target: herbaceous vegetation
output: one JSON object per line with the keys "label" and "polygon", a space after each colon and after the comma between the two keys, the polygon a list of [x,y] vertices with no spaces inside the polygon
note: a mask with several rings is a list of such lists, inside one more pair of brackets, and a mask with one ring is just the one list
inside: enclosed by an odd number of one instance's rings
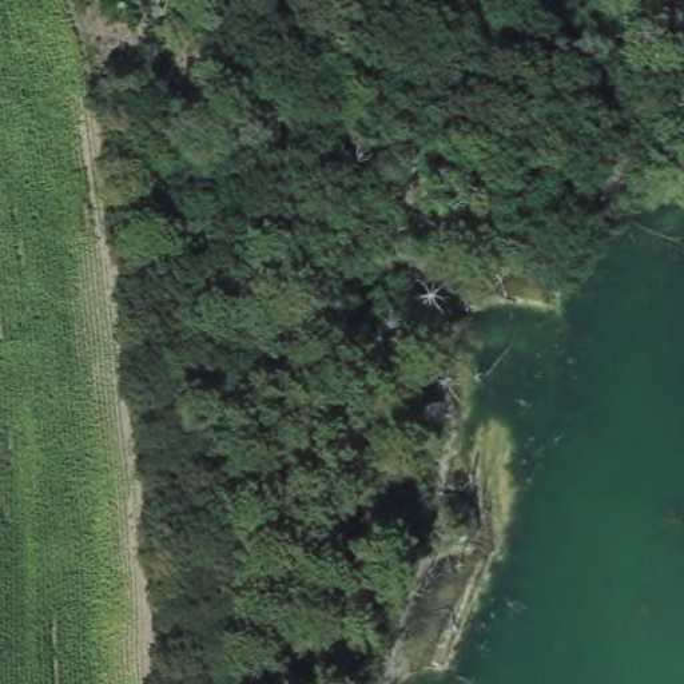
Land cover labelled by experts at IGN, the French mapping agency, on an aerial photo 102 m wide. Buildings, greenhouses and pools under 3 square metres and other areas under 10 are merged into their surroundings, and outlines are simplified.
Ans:
{"label": "herbaceous vegetation", "polygon": [[433,550],[436,494],[438,473],[425,468],[414,478],[390,481],[382,494],[374,494],[371,505],[355,508],[353,516],[347,516],[342,524],[334,524],[329,532],[331,550],[339,550],[355,540],[401,537],[403,550],[398,553],[398,558],[417,564],[422,556]]}

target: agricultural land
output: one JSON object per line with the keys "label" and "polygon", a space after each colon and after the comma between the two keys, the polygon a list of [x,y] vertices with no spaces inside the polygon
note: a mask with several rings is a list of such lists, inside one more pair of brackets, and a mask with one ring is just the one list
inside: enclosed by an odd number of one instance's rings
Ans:
{"label": "agricultural land", "polygon": [[110,257],[104,211],[107,206],[123,206],[126,200],[118,195],[118,190],[107,184],[102,168],[96,166],[96,158],[102,152],[102,131],[96,112],[88,107],[86,88],[88,75],[110,59],[115,48],[136,45],[144,37],[139,27],[128,27],[126,21],[107,21],[99,5],[102,0],[0,0],[0,684],[142,684],[150,673],[150,647],[155,636],[152,607],[147,599],[147,577],[139,561],[139,516],[144,492],[136,473],[131,411],[118,387],[118,275],[118,265]]}

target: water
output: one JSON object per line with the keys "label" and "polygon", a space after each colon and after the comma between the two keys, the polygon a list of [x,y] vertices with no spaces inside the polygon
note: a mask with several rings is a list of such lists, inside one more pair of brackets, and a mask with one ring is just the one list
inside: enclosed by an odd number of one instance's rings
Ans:
{"label": "water", "polygon": [[473,411],[481,414],[486,422],[505,425],[513,444],[508,465],[513,484],[513,505],[505,529],[505,556],[492,566],[489,588],[481,593],[478,609],[468,617],[452,668],[441,673],[436,671],[428,676],[414,676],[403,684],[684,684],[684,208],[676,203],[660,203],[655,208],[633,214],[628,219],[628,232],[617,235],[607,246],[604,257],[593,265],[590,275],[580,281],[577,291],[569,297],[550,294],[545,286],[516,275],[502,273],[494,281],[494,286],[486,289],[484,299],[489,305],[470,313],[470,326],[460,337],[465,353],[476,361],[476,371],[481,374],[481,382],[473,390]]}

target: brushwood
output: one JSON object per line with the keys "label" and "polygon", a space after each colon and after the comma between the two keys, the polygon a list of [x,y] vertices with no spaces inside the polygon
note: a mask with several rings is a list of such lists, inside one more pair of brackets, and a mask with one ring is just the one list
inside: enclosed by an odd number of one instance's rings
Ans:
{"label": "brushwood", "polygon": [[417,564],[417,572],[422,572],[430,572],[444,556],[470,553],[476,526],[481,524],[476,486],[470,486],[468,473],[452,470],[452,489],[446,489],[446,497],[436,494],[433,550],[422,556]]}

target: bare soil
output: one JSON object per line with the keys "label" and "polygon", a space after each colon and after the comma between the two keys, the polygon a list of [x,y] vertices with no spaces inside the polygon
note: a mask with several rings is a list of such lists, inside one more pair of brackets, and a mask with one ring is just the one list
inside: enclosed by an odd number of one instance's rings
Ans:
{"label": "bare soil", "polygon": [[425,409],[428,417],[441,419],[446,425],[444,449],[436,452],[438,473],[436,494],[446,497],[446,489],[452,489],[452,470],[468,473],[470,486],[476,486],[481,524],[476,526],[470,553],[444,556],[430,572],[422,572],[417,607],[406,617],[390,623],[398,641],[393,644],[385,660],[385,673],[374,684],[403,684],[414,676],[428,676],[436,671],[441,673],[452,668],[468,617],[478,609],[481,593],[489,588],[492,566],[505,556],[505,529],[513,505],[513,484],[508,465],[513,444],[505,425],[486,422],[481,414],[473,411],[473,390],[481,382],[481,374],[476,371],[476,361],[465,353],[457,353],[454,377],[444,377],[441,382],[444,401],[428,403]]}

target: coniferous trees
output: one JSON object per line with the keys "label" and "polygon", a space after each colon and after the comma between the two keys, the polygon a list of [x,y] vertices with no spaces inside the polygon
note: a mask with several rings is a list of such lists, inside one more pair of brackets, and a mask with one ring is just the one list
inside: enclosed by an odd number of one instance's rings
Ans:
{"label": "coniferous trees", "polygon": [[612,166],[612,176],[607,179],[607,184],[601,184],[593,195],[580,192],[574,179],[564,179],[561,190],[545,203],[550,214],[564,216],[601,214],[607,227],[612,227],[617,235],[628,232],[628,219],[633,214],[655,208],[660,203],[676,203],[684,208],[684,104],[676,112],[671,112],[671,118],[655,126],[655,136],[660,139],[660,144],[649,152],[649,166],[644,160],[623,155]]}
{"label": "coniferous trees", "polygon": [[556,37],[553,56],[582,59],[585,69],[593,72],[599,83],[612,80],[604,64],[609,45],[623,48],[623,56],[633,69],[684,67],[684,0],[542,0],[545,8],[558,19],[558,29],[564,32],[564,37]]}
{"label": "coniferous trees", "polygon": [[254,91],[254,75],[243,64],[238,64],[219,45],[203,43],[211,29],[219,27],[219,16],[214,13],[211,0],[158,0],[152,5],[152,16],[144,19],[144,24],[139,27],[144,37],[136,45],[115,48],[110,59],[88,75],[86,88],[88,107],[96,112],[102,131],[102,152],[96,158],[96,166],[102,168],[107,184],[118,190],[118,195],[126,200],[123,206],[107,206],[104,211],[110,257],[118,265],[118,275],[131,273],[163,254],[179,254],[182,248],[190,257],[208,254],[206,232],[192,230],[190,219],[176,208],[176,203],[168,195],[168,174],[211,176],[206,171],[208,163],[222,163],[232,150],[243,144],[270,142],[270,150],[307,150],[310,144],[307,136],[289,131],[289,126],[275,115],[273,102],[262,99]]}
{"label": "coniferous trees", "polygon": [[238,497],[238,502],[227,513],[227,521],[235,529],[235,542],[208,569],[216,580],[238,585],[243,580],[254,582],[254,590],[232,601],[235,617],[224,620],[224,641],[219,647],[206,649],[206,660],[211,663],[208,676],[219,684],[374,684],[385,673],[385,660],[393,644],[398,641],[390,623],[406,617],[417,607],[422,572],[417,572],[417,564],[398,558],[398,553],[403,550],[401,537],[355,540],[339,550],[331,550],[329,532],[334,524],[342,524],[347,516],[353,516],[355,508],[371,505],[374,494],[382,494],[390,481],[414,478],[425,468],[438,473],[436,452],[444,449],[446,425],[441,419],[428,417],[425,409],[428,403],[444,401],[441,382],[444,377],[454,377],[457,353],[465,353],[460,337],[470,326],[470,313],[489,305],[484,299],[486,289],[494,286],[494,281],[502,273],[516,275],[521,270],[518,254],[513,251],[500,259],[492,243],[494,219],[481,216],[489,208],[489,198],[476,190],[484,182],[478,171],[452,163],[441,152],[422,150],[417,142],[355,147],[355,142],[345,134],[337,139],[331,152],[318,158],[318,174],[302,176],[283,171],[286,182],[281,184],[281,192],[270,198],[265,208],[267,214],[254,216],[251,227],[246,230],[246,259],[254,270],[240,281],[232,281],[227,273],[219,270],[211,273],[203,281],[208,294],[200,297],[200,305],[179,307],[174,313],[184,329],[208,331],[206,345],[211,347],[206,358],[198,363],[198,369],[190,369],[184,374],[182,390],[187,395],[176,411],[182,417],[182,425],[187,430],[195,430],[203,441],[200,452],[195,454],[195,465],[206,470],[227,468],[232,478],[224,484],[224,489]]}

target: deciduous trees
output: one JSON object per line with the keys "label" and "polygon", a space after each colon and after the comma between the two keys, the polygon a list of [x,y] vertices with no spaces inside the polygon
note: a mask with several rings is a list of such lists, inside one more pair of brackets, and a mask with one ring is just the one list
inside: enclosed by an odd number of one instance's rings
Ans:
{"label": "deciduous trees", "polygon": [[612,227],[607,227],[601,214],[564,216],[550,214],[545,203],[561,190],[564,179],[574,179],[580,192],[593,195],[601,184],[607,184],[607,179],[612,176],[612,166],[623,155],[644,160],[649,166],[649,152],[660,144],[660,139],[655,136],[655,126],[671,118],[671,112],[676,112],[684,104],[684,67],[633,69],[623,56],[623,48],[609,45],[604,64],[612,80],[599,83],[593,72],[585,69],[582,59],[553,56],[556,37],[564,37],[564,32],[558,29],[558,19],[545,8],[542,0],[211,0],[214,13],[219,16],[219,27],[211,29],[203,43],[219,45],[238,64],[243,64],[254,75],[254,91],[262,99],[273,102],[275,115],[289,126],[289,131],[307,136],[310,144],[307,150],[270,150],[270,142],[243,144],[232,150],[222,163],[208,163],[206,171],[211,176],[168,174],[168,195],[176,203],[176,208],[190,219],[192,230],[206,232],[208,254],[190,257],[182,248],[179,254],[163,254],[131,273],[118,275],[118,387],[131,411],[136,473],[144,492],[139,516],[139,561],[147,577],[147,599],[152,607],[155,636],[150,647],[150,673],[142,684],[219,684],[208,676],[211,663],[206,660],[206,649],[219,647],[224,641],[224,620],[235,617],[232,601],[254,590],[254,582],[243,580],[238,585],[216,580],[208,569],[235,542],[235,529],[227,521],[227,513],[238,502],[238,497],[224,489],[224,484],[232,478],[227,468],[206,470],[195,465],[195,454],[200,452],[203,441],[195,430],[187,430],[182,425],[182,417],[176,411],[187,395],[182,390],[184,374],[190,369],[198,369],[198,363],[206,358],[211,347],[206,345],[208,331],[184,329],[174,313],[179,307],[200,305],[200,297],[208,294],[203,281],[211,273],[219,270],[227,273],[232,281],[240,281],[254,270],[246,259],[246,230],[251,227],[254,216],[267,214],[265,208],[270,198],[281,192],[281,184],[286,182],[283,171],[302,176],[318,174],[318,158],[331,152],[337,139],[345,134],[355,142],[355,147],[417,142],[422,150],[441,152],[452,163],[478,171],[484,182],[476,190],[489,198],[489,208],[481,216],[494,219],[492,243],[500,259],[513,251],[518,254],[521,270],[516,275],[545,286],[550,294],[569,297],[577,291],[580,281],[590,275],[593,265],[604,257],[607,246],[617,235]]}
{"label": "deciduous trees", "polygon": [[144,24],[144,19],[152,16],[152,5],[158,0],[102,0],[99,5],[107,21],[126,21],[128,27],[139,27]]}

